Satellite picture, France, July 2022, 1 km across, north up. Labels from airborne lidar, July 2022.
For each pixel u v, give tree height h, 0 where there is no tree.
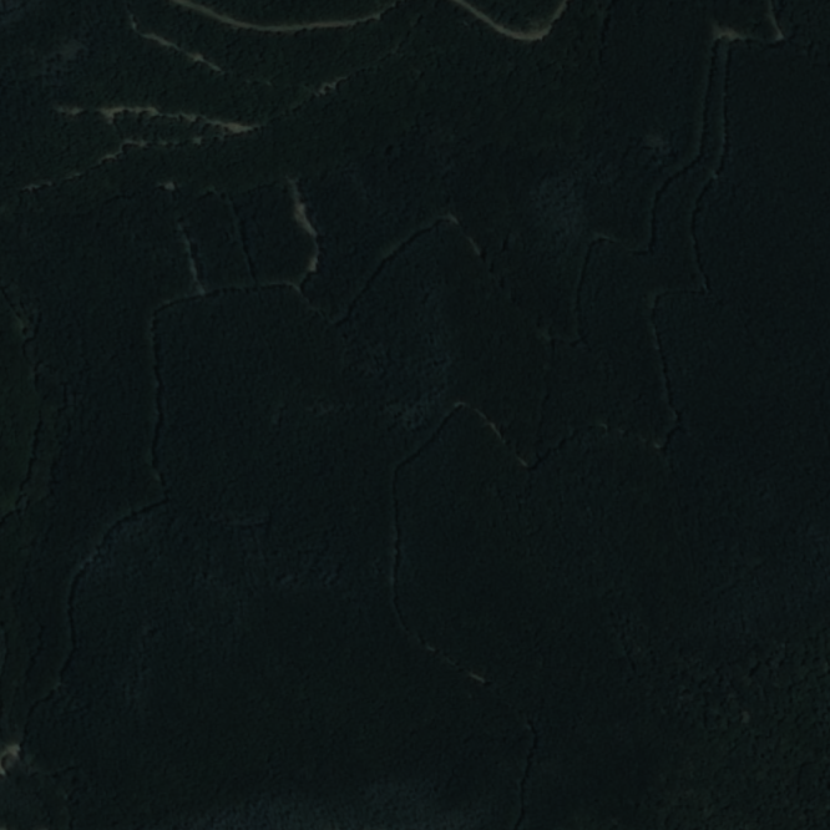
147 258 25
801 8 24
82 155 27
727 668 21
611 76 24
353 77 14
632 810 25
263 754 22
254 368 15
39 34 19
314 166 24
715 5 18
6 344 25
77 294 20
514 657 25
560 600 19
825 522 16
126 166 37
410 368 14
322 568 16
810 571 16
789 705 24
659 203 13
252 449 19
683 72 14
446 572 19
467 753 27
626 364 22
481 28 21
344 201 19
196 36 27
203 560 15
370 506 20
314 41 16
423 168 20
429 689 23
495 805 17
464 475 17
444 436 12
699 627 19
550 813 15
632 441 15
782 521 18
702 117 8
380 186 21
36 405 17
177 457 16
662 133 9
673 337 17
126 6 19
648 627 21
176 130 21
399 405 16
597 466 16
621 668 22
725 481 19
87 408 26
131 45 19
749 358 16
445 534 18
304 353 21
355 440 15
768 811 23
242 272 20
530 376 27
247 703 25
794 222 18
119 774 22
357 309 20
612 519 15
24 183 26
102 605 18
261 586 15
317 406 13
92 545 15
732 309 21
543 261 21
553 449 16
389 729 27
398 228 18
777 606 18
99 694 15
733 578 20
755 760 17
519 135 25
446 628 21
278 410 14
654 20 21
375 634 19
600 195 25
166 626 15
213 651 14
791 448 25
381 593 13
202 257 22
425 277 14
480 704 28
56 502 23
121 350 17
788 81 21
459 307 24
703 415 23
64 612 20
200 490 22
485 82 19
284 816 11
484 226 27
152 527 17
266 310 17
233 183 24
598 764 17
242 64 27
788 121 16
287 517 19
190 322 17
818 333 19
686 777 20
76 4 19
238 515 10
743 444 22
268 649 18
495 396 23
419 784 19
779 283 21
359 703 27
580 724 26
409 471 14
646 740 15
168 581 13
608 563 12
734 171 16
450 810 17
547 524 20
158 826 18
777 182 17
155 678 14
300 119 28
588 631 21
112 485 24
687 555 27
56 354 23
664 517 27
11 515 9
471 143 29
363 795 19
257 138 24
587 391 17
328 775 24
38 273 19
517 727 27
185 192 25
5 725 25
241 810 15
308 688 26
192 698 16
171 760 26
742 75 17
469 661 24
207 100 11
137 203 30
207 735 26
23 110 16
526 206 24
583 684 25
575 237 17
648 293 15
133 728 15
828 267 18
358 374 17
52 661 33
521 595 22
